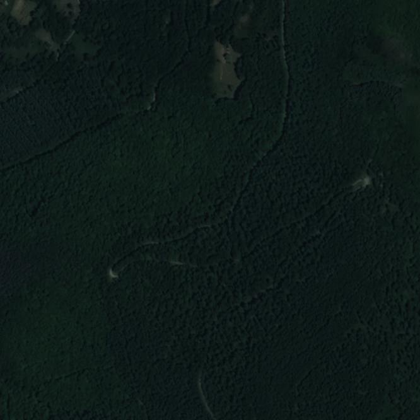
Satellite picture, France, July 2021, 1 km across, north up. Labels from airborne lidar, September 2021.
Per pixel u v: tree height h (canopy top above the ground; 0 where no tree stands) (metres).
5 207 24
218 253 15
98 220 23
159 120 23
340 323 18
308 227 14
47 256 17
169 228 22
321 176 28
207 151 23
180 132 21
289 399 15
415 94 0
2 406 22
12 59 19
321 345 14
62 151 15
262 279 17
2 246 17
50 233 18
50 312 13
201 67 17
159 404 17
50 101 21
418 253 23
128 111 9
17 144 20
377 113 21
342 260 20
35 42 16
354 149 19
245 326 18
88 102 14
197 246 25
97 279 13
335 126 16
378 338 13
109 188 14
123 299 13
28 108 23
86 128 8
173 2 22
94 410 21
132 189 24
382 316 10
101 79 11
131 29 24
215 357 11
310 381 16
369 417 15
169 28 18
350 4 21
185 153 16
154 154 21
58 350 10
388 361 10
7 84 27
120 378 12
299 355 16
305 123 25
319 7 15
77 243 15
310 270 20
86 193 23
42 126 19
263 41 24
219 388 19
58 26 25
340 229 18
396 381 10
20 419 30
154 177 23
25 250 16
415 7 25
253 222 25
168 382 18
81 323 17
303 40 15
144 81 20
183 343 19
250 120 7
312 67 24
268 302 20
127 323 18
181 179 29
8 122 20
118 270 14
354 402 17
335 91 20
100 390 16
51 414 26
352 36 13
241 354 25
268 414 19
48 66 9
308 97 18
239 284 11
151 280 17
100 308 11
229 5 26
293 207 13
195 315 13
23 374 20
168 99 21
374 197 19
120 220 23
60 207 22
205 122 22
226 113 28
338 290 15
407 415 21
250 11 22
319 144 23
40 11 22
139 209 25
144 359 20
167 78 18
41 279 11
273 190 24
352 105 21
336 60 19
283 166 29
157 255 16
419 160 21
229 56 15
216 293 20
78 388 17
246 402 22
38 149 20
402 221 9
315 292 18
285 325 18
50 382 11
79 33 20
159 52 23
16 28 19
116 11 25
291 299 22
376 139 17
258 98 19
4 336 21
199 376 8
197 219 23
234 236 21
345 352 20
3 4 9
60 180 23
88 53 0
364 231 17
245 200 15
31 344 15
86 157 14
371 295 15
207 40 8
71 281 14
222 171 20
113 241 25
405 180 23
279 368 18
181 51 22
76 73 14
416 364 18
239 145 23
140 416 22
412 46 20
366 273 16
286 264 20
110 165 21
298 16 18
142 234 19
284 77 20
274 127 28
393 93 25
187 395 15
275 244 21
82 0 12
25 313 12
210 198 30
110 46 25
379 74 21
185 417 17
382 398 17
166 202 24
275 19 8
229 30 6
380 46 9
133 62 26
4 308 16
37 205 21
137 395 21
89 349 11
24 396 22
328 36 17
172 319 7
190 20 18
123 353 18
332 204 21
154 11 12
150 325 13
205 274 21
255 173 18
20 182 22
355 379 18
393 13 24
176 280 19
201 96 15
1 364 19
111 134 22
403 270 21
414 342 22
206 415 21
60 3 0
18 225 22
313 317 17
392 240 15
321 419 14
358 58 12
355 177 26
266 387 15
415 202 31
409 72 7
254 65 24
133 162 20
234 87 12
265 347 21
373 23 14
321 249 19
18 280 21
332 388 18
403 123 30
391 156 26
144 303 18
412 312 23
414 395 10
